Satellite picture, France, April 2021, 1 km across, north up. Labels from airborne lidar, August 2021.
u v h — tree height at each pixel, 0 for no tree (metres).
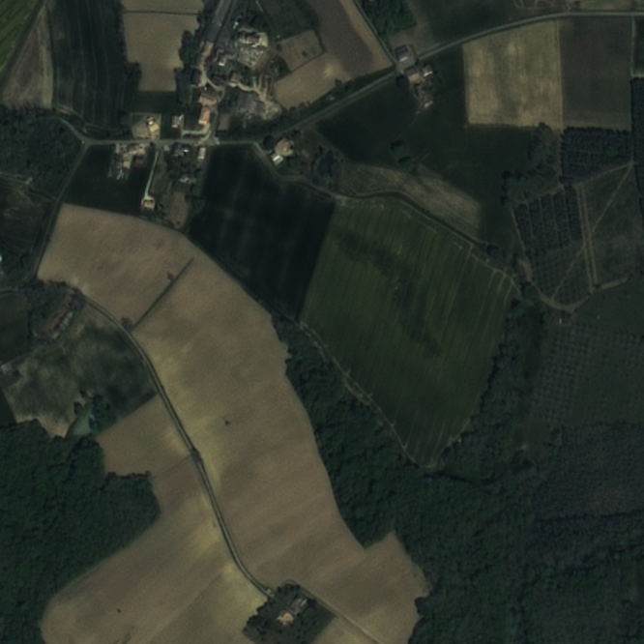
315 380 26
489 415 16
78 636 0
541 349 17
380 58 0
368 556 0
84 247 0
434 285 0
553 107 0
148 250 0
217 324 0
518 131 0
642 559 25
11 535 25
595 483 10
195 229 0
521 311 24
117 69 0
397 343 0
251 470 0
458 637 23
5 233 0
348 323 0
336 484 12
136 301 0
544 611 22
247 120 0
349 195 9
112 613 0
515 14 0
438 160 0
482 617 22
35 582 24
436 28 0
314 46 0
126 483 13
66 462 14
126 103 0
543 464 12
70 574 21
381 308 0
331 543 0
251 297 0
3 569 14
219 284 0
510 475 27
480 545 10
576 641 20
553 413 8
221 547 0
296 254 0
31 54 0
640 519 17
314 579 0
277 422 0
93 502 26
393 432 0
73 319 19
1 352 0
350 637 0
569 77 0
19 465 26
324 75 0
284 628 7
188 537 0
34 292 19
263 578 0
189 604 0
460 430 0
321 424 15
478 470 15
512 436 21
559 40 0
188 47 16
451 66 0
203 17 7
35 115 9
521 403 28
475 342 0
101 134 0
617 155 14
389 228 0
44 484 23
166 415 0
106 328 0
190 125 0
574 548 18
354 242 0
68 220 0
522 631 17
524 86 0
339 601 0
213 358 0
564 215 11
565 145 10
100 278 0
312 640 0
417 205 0
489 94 0
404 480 26
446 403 0
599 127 0
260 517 0
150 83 0
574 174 11
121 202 0
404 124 0
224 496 0
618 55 0
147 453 0
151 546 0
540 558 19
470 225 0
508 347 10
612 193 8
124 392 0
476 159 0
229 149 0
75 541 24
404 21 23
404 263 0
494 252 19
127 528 19
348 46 0
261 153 0
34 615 16
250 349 0
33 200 0
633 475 10
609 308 0
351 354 0
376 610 0
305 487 0
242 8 0
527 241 6
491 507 24
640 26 0
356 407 16
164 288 0
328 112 0
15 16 0
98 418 15
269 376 0
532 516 20
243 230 0
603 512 8
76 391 0
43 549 31
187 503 0
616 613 24
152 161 0
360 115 0
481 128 0
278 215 0
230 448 0
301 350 24
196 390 0
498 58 0
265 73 0
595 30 0
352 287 0
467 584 24
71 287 11
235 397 0
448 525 20
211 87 11
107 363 0
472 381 0
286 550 0
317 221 0
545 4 0
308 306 0
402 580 0
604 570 29
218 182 0
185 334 0
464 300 0
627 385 0
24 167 20
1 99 0
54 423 0
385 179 0
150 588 0
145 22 0
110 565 0
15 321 0
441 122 0
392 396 0
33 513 21
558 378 11
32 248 0
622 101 0
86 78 0
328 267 0
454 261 0
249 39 0
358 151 0
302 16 0
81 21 0
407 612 0
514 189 22
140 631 0
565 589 20
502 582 27
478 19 0
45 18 0
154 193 0
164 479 0
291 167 12
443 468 0
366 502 13
